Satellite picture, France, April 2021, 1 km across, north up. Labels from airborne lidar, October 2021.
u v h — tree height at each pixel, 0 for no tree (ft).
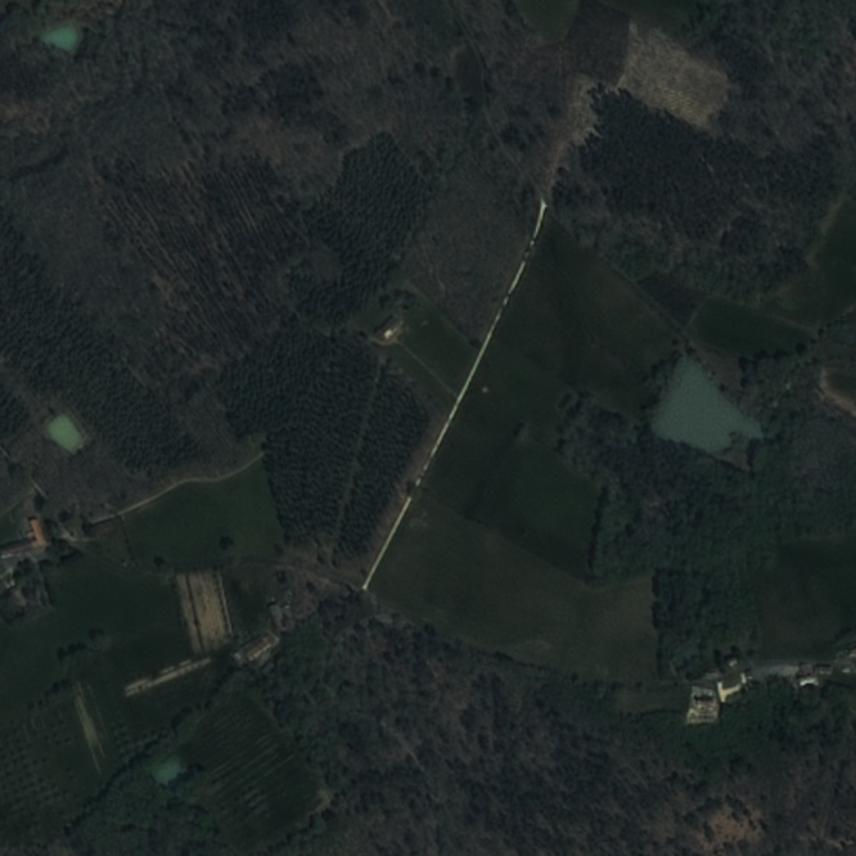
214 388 34
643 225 46
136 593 0
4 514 34
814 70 62
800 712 37
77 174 63
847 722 59
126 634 0
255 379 43
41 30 40
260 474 0
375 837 43
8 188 56
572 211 92
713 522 61
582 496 0
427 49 59
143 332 60
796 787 28
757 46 87
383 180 37
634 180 86
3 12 0
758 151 65
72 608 0
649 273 42
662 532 68
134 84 47
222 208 55
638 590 0
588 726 32
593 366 0
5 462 30
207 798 0
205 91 42
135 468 43
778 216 63
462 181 51
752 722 32
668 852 38
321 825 53
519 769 53
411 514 0
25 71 52
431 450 54
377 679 86
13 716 0
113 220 46
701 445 0
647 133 79
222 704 45
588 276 0
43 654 0
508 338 0
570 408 0
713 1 51
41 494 30
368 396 32
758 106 76
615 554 61
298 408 44
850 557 0
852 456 57
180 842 50
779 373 59
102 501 48
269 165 45
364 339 39
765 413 39
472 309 50
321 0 77
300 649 67
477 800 75
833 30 60
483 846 49
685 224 88
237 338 53
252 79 37
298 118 35
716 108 0
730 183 80
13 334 37
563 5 0
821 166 75
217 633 0
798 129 48
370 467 36
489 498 0
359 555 53
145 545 0
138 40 60
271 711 32
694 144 78
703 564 80
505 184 54
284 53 43
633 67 0
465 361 0
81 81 55
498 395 0
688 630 48
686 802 28
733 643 56
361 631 46
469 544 0
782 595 0
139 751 32
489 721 26
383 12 64
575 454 58
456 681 59
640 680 0
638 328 0
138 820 83
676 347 33
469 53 18
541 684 30
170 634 0
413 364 0
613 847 75
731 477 70
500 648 0
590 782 59
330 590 0
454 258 38
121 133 74
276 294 47
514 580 0
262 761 0
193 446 51
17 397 61
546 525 0
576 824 72
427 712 68
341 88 52
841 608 0
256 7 69
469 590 0
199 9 71
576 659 0
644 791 44
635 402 0
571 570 0
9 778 25
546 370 0
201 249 52
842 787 54
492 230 42
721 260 49
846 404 0
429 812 45
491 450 0
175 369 23
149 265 48
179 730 58
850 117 40
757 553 52
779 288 80
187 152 43
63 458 50
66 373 44
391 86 48
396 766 32
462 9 51
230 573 0
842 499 43
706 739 35
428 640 37
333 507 41
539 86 33
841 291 0
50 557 26
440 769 77
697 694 0
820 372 34
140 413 47
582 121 0
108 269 63
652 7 0
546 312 0
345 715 74
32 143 23
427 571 0
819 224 60
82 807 20
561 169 0
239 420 50
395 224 44
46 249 60
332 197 42
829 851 75
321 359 41
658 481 83
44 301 49
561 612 0
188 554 0
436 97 52
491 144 41
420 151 40
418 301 40
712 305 0
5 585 0
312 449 47
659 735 25
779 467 48
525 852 69
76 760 0
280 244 51
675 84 0
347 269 53
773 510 50
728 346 0
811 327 0
